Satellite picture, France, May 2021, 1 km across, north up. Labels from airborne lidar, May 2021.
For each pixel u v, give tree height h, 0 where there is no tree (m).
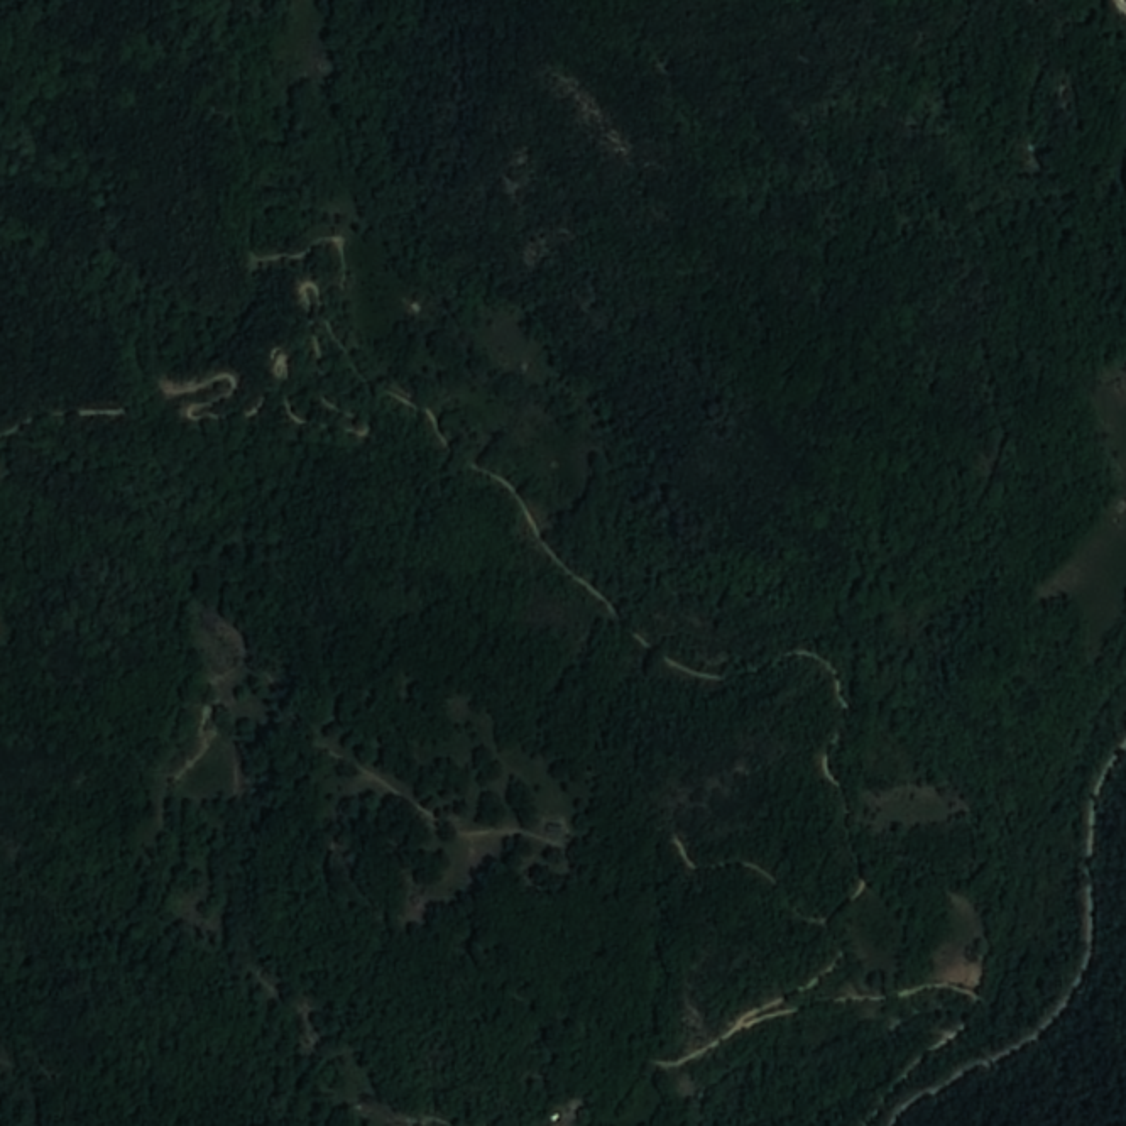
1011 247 14
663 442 16
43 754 8
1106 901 11
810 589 11
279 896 27
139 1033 13
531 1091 16
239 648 0
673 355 9
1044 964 8
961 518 12
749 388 18
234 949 22
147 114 12
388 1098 22
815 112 11
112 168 18
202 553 18
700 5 11
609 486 15
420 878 18
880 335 15
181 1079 23
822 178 18
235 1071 15
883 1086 9
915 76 16
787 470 9
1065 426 20
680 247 13
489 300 16
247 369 13
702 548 24
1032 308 12
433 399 20
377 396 21
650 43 14
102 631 13
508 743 16
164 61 14
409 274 19
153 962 20
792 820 14
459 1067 11
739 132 12
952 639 8
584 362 17
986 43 15
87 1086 12
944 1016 18
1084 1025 9
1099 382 7
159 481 10
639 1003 20
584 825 14
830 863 10
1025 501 22
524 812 19
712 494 6
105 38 18
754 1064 11
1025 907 13
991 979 13
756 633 12
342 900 18
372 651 12
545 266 11
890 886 13
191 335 14
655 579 12
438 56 11
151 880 19
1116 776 8
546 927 21
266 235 12
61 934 18
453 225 14
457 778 18
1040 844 16
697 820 7
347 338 18
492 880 25
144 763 13
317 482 9
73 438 15
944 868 11
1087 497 25
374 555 18
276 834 28
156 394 13
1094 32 18
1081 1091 14
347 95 16
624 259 7
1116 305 22
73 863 11
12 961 21
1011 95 16
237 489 11
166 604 13
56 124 14
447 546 18
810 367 25
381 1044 20
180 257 9
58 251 16
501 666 7
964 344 17
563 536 17
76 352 8
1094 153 26
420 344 8
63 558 19
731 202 15
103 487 11
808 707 13
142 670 15
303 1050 9
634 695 9
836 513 8
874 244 13
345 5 22
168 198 8
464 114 10
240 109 19
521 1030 27
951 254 16
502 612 14
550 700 9
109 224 18
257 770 19
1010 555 21
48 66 16
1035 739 14
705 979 9
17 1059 10
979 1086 9
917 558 15
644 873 11
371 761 11
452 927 23
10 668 16
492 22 12
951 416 13
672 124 16
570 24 12
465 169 13
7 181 11
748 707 11
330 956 18
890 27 16
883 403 20
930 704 15
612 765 8
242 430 17
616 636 16
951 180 19
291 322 14
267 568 16
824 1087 21
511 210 10
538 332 18
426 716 16
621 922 19
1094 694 13
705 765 6
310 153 18
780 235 13
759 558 12
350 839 22
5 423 9
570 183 9
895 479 17
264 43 26
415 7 14
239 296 13
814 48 16
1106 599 0
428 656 15
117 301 17
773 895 15
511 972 28
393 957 18
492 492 10
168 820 11
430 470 14
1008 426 14
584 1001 21
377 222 17
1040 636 18
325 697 21
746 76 11
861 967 17
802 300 14
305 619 6
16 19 22
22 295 13
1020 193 20
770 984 9
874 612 15
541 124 12
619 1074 20
